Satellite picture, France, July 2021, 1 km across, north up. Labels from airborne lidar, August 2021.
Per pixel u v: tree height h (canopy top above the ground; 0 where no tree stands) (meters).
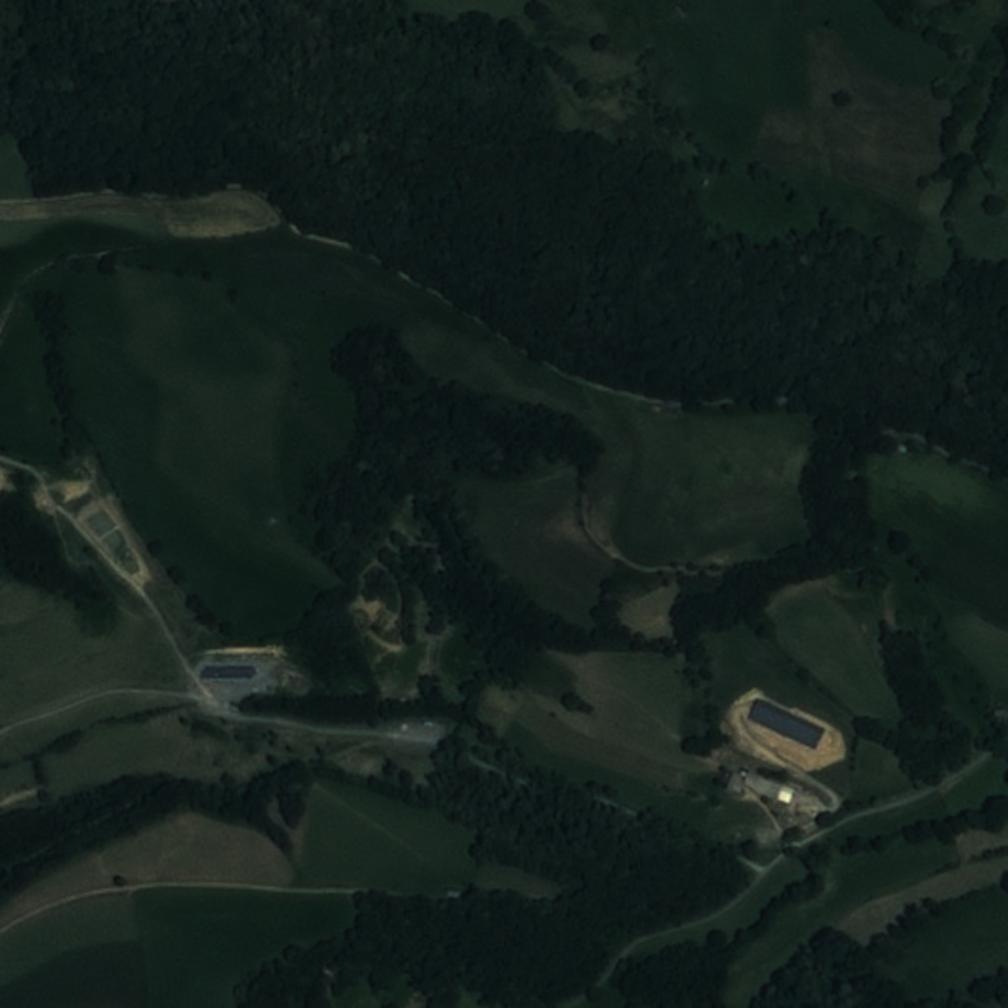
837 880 0
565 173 15
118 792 12
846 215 0
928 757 26
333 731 0
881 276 20
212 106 17
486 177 21
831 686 0
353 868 0
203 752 0
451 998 27
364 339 18
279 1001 17
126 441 0
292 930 0
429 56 17
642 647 16
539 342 16
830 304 21
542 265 27
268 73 21
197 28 23
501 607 22
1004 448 22
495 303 19
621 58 0
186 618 0
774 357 17
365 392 24
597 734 0
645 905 23
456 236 18
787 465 0
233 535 0
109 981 0
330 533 19
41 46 20
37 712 0
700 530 0
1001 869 0
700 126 0
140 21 6
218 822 0
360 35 14
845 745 0
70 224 0
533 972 29
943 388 20
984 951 0
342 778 15
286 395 0
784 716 0
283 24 19
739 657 0
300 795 15
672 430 0
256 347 0
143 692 0
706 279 18
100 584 7
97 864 0
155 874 0
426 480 19
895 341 21
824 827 20
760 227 0
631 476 0
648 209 21
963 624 0
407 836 0
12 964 0
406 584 20
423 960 31
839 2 0
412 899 9
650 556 0
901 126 0
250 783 9
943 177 12
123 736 0
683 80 0
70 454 16
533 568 0
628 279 13
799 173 0
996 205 19
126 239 0
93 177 20
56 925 0
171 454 0
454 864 0
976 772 0
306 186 17
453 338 0
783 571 22
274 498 0
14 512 10
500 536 0
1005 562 0
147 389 0
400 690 0
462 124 13
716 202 0
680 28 0
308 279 0
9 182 0
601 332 19
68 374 12
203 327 0
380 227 19
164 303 0
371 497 10
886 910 0
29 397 0
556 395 0
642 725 0
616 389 8
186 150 21
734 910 0
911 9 8
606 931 20
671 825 12
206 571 0
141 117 18
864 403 20
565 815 23
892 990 21
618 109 0
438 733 0
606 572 0
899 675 21
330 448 0
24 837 10
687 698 0
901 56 0
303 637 13
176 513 0
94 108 21
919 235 0
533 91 29
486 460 22
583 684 0
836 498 21
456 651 0
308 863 0
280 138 20
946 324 14
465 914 23
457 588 18
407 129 11
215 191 11
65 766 0
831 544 17
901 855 0
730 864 21
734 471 0
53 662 0
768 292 17
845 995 22
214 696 0
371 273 0
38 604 0
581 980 23
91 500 0
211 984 0
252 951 0
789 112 0
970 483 0
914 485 0
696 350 20
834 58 0
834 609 0
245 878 0
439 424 15
